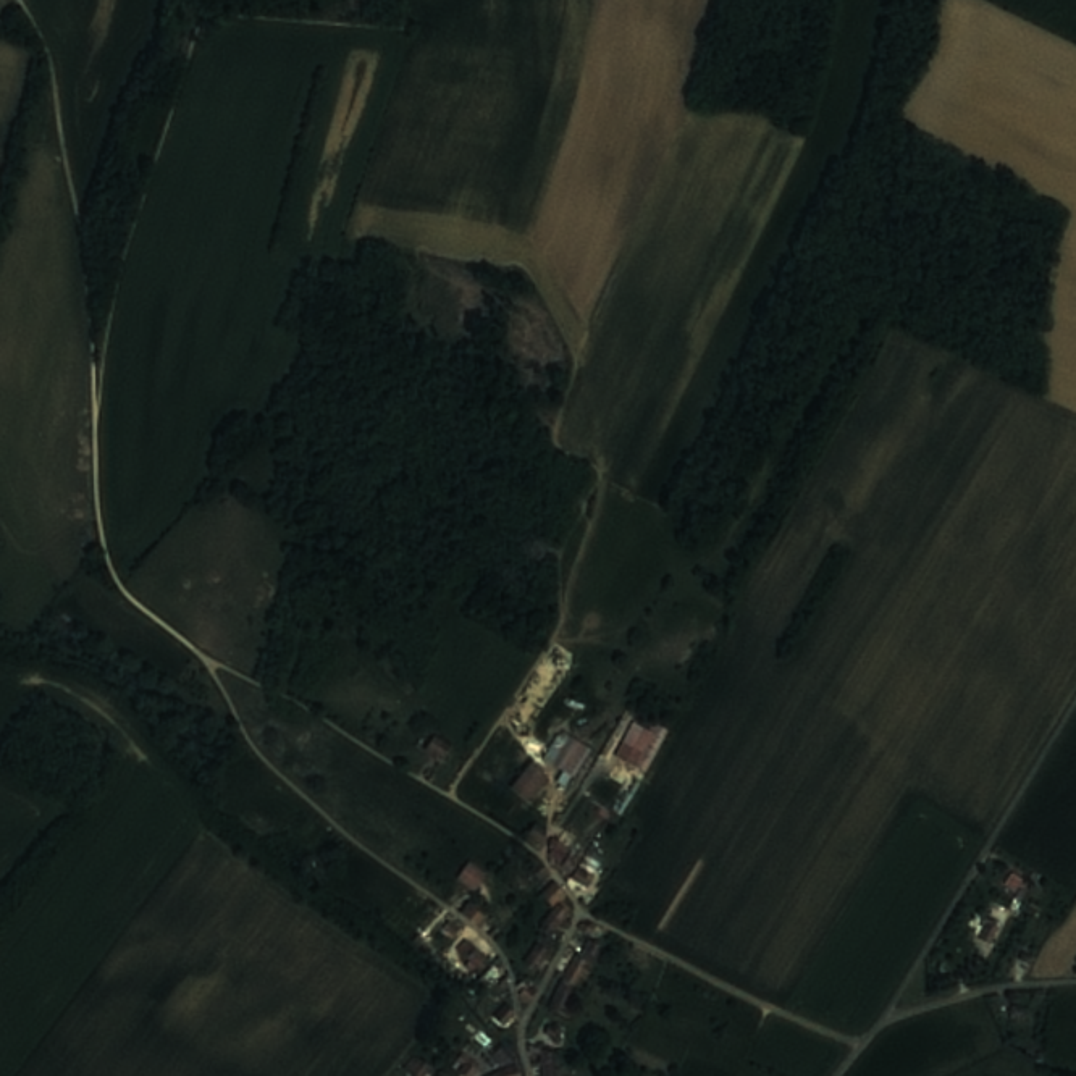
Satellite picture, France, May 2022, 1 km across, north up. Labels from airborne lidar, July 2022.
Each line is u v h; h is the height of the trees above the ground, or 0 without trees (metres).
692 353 0
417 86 0
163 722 17
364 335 20
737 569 10
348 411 22
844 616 0
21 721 18
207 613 0
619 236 0
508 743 0
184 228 0
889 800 0
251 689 0
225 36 0
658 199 0
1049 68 0
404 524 12
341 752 0
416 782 0
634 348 0
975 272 27
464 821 0
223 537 0
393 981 0
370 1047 0
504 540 10
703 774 0
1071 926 0
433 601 15
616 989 19
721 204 0
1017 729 0
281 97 0
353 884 0
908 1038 0
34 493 0
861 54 0
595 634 0
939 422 0
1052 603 0
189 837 0
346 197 0
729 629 11
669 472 0
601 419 0
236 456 15
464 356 20
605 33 0
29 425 0
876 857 0
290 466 12
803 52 23
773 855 0
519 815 0
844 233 22
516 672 0
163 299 0
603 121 0
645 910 0
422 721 11
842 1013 0
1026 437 0
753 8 26
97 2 0
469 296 0
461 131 0
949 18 0
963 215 25
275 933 0
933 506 0
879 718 0
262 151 0
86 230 21
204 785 22
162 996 0
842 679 0
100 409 0
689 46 0
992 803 0
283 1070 0
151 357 0
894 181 25
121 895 0
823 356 12
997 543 0
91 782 24
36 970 0
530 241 0
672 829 0
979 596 0
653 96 0
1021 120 0
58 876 0
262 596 0
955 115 0
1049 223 17
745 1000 0
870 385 0
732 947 0
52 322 0
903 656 0
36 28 10
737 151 0
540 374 20
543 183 0
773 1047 0
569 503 17
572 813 0
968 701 0
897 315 20
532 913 13
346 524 17
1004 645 0
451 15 0
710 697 0
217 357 0
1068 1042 0
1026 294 26
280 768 0
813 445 19
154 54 22
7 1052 0
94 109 0
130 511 0
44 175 0
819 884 0
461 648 0
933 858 0
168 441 0
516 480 19
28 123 12
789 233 0
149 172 13
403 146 0
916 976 0
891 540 0
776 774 0
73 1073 0
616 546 0
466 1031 0
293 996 0
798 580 0
